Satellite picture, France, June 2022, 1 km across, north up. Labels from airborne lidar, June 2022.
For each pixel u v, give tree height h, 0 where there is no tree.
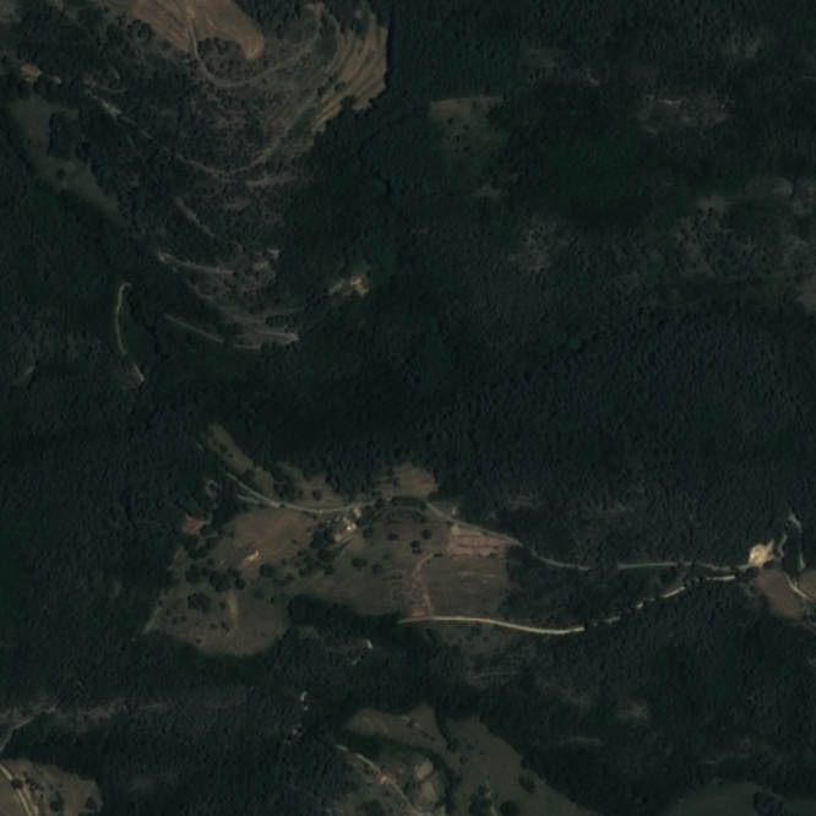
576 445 24
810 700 20
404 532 0
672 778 13
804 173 8
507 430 10
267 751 11
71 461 19
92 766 30
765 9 12
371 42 0
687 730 12
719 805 0
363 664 13
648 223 11
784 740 13
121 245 27
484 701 22
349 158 14
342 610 13
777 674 10
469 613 0
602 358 19
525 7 17
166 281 19
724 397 18
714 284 8
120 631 9
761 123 17
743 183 6
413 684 22
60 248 19
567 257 10
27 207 14
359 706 17
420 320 21
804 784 16
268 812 23
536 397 20
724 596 11
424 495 0
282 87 0
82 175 0
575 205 13
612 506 8
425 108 9
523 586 7
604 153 16
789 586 0
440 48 38
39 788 7
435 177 30
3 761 13
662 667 12
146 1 0
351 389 19
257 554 0
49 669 19
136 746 22
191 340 7
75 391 32
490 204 15
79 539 11
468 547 0
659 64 11
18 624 18
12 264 19
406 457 16
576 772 11
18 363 23
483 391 22
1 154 13
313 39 0
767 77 13
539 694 7
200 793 19
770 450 17
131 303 18
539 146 18
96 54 11
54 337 14
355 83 0
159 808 22
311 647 19
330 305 23
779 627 9
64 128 18
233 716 13
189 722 9
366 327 7
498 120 14
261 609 0
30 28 10
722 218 7
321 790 21
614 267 6
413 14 20
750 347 23
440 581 0
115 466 14
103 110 8
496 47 32
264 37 0
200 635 0
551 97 11
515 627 0
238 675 14
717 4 12
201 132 6
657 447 6
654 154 11
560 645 8
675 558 10
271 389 17
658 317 22
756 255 12
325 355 12
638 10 10
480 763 0
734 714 17
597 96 14
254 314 9
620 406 16
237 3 9
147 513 26
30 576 13
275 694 13
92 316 19
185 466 14
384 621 13
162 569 10
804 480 21
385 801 0
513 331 19
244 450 12
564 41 7
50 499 22
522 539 7
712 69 8
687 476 20
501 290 20
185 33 0
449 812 8
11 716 7
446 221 32
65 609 9
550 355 18
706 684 18
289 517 0
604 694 8
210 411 18
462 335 16
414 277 14
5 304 18
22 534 18
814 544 11
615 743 7
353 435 23
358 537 0
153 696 17
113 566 6
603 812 10
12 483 17
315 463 21
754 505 18
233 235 11
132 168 13
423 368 35
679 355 20
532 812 0
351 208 15
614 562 13
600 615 12
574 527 11
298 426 20
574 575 9
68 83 9
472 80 30
